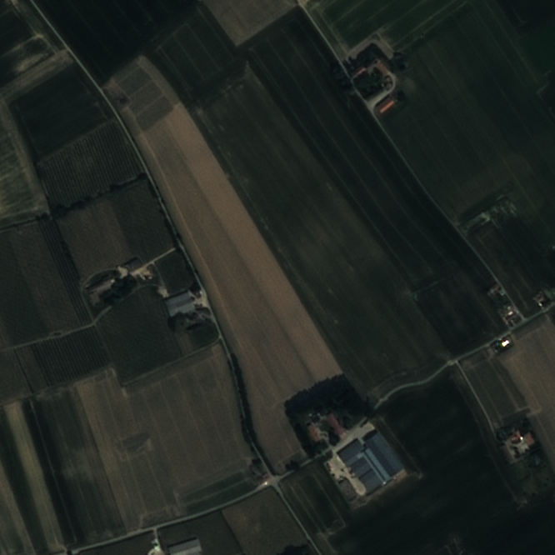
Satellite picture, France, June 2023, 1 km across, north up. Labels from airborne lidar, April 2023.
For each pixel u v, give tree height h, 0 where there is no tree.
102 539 0
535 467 0
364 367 0
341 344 0
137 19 0
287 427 0
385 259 0
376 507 0
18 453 0
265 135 0
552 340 0
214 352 0
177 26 0
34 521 0
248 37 0
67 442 0
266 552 0
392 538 0
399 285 0
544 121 0
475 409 0
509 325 0
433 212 0
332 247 0
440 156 0
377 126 0
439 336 0
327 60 0
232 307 0
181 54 0
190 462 0
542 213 0
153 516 0
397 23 0
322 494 0
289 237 0
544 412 0
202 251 0
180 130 0
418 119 0
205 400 0
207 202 0
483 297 0
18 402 0
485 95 0
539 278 0
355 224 0
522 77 0
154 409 0
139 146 0
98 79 0
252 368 0
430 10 0
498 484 0
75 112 0
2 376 0
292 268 0
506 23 0
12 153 0
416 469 0
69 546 0
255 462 13
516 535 0
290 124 0
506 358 0
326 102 0
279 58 0
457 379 0
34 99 0
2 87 0
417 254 0
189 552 0
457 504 0
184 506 0
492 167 0
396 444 0
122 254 0
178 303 0
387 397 0
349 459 0
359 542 0
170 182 0
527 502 0
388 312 0
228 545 0
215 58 0
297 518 0
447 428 0
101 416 0
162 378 0
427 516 0
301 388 0
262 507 0
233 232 0
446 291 0
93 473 0
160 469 0
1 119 0
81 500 0
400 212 0
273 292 0
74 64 0
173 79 0
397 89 0
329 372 0
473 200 0
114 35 0
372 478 0
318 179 0
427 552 0
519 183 0
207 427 0
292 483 0
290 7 0
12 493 0
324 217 0
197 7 0
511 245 0
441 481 0
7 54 0
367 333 0
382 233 0
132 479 0
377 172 0
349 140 0
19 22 0
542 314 0
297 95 0
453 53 0
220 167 0
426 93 0
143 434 0
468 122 0
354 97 0
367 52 10
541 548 0
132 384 0
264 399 0
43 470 0
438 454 0
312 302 0
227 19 0
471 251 0
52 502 0
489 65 0
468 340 0
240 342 0
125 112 0
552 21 0
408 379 0
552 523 0
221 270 0
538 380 0
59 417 0
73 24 0
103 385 0
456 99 0
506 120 0
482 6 0
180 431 0
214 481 0
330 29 0
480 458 0
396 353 0
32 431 0
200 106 0
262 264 0
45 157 0
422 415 0
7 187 0
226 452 0
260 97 0
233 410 0
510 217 0
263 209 0
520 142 0
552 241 0
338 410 9
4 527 0
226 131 0
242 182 0
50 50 0
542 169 0
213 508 0
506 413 0
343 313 0
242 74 0
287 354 0
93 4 0
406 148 0
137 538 0
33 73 0
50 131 0
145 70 0
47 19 0
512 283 0
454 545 0
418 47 0
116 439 0
